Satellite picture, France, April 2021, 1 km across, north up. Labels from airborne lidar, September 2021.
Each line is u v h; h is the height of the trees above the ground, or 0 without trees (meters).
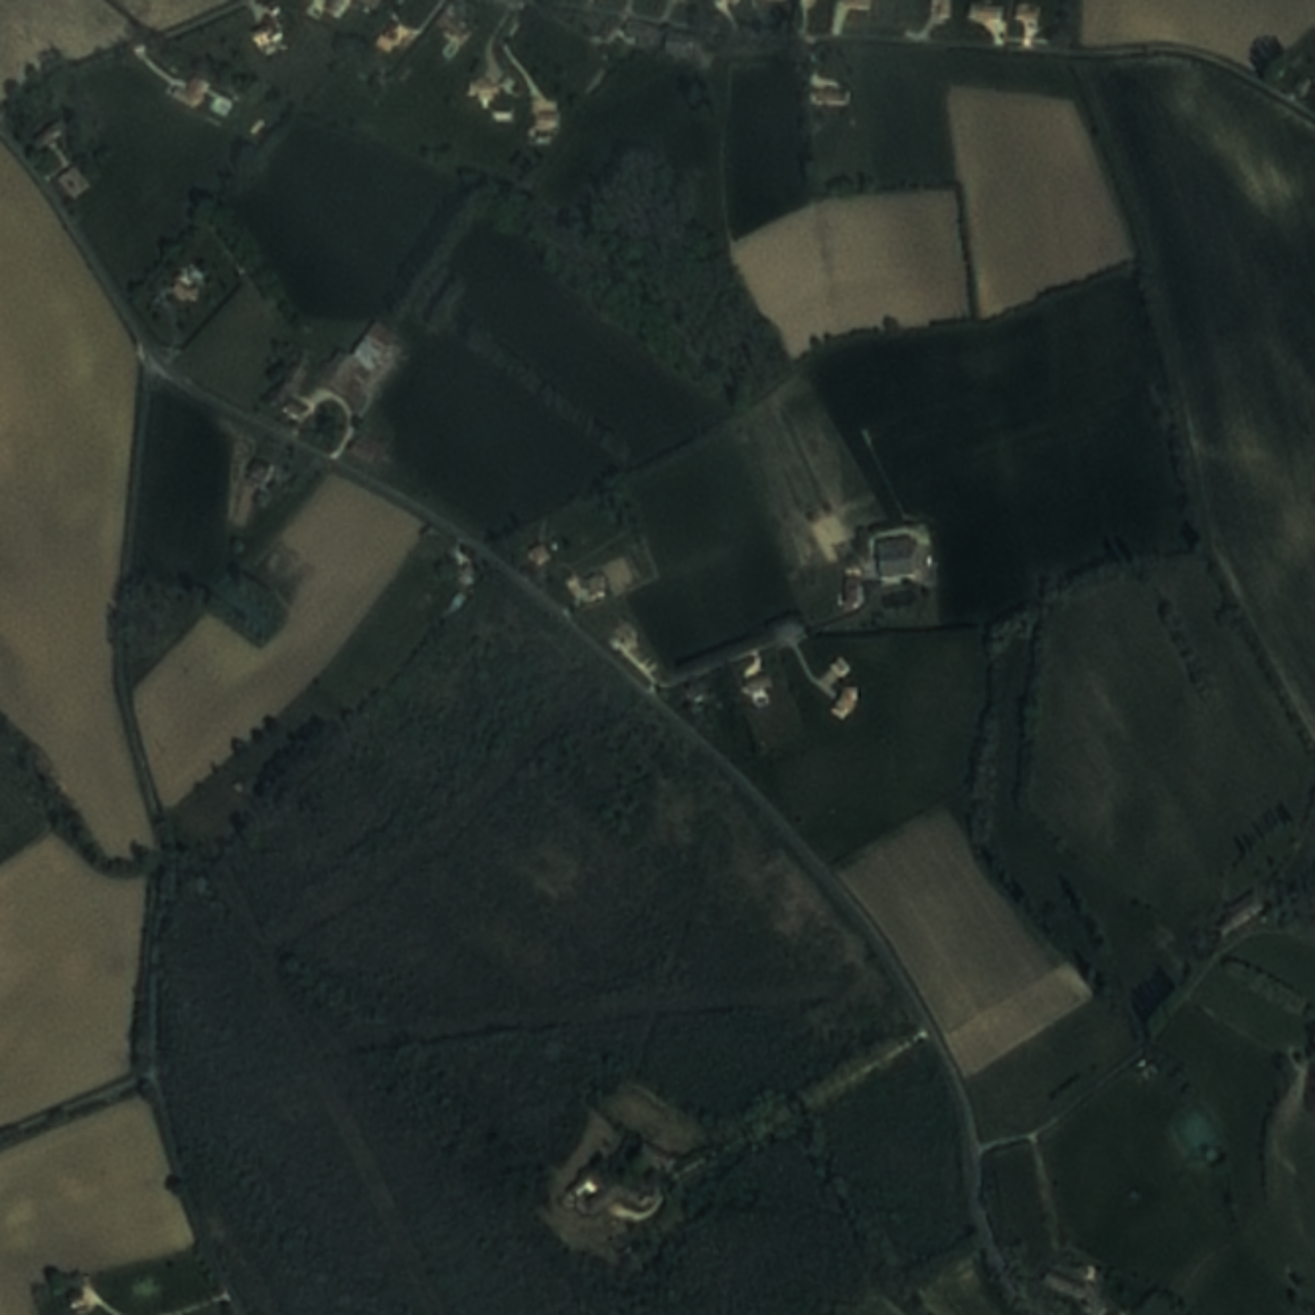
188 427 0
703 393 20
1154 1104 0
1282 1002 14
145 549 0
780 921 0
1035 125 0
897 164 0
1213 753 0
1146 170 0
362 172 0
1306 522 0
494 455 0
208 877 15
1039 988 0
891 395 0
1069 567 0
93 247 0
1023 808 9
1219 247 0
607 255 23
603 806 6
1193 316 0
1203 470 0
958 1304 0
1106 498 0
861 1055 9
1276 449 0
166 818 6
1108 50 0
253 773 0
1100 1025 0
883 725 0
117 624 17
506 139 0
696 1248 13
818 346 11
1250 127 0
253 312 0
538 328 0
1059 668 0
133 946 0
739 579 0
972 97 0
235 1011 6
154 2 0
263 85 13
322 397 0
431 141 0
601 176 0
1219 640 0
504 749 8
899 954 0
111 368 0
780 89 0
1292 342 0
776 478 0
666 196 19
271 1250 7
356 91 0
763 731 0
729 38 19
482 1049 7
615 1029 11
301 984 15
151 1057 13
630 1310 10
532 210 23
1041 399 0
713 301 22
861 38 0
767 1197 18
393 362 0
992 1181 8
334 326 0
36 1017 0
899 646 0
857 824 0
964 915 0
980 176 0
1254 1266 0
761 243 0
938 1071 8
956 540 0
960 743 0
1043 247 0
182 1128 8
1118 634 0
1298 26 0
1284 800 0
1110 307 0
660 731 7
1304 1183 0
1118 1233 0
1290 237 0
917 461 0
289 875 8
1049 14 0
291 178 0
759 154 0
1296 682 0
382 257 0
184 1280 0
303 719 0
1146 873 0
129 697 0
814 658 0
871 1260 25
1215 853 0
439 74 0
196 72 12
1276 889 7
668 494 0
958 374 0
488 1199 8
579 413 0
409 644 0
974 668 0
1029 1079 0
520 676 8
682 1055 12
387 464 0
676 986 9
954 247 0
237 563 0
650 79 0
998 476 0
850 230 0
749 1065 17
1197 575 0
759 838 0
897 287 0
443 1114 16
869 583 0
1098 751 0
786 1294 14
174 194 0
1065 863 0
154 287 6
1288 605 0
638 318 26
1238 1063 0
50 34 0
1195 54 0
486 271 0
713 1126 16
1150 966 0
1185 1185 0
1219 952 7
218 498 0
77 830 13
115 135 0
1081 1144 0
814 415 0
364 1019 14
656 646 0
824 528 0
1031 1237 0
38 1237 0
